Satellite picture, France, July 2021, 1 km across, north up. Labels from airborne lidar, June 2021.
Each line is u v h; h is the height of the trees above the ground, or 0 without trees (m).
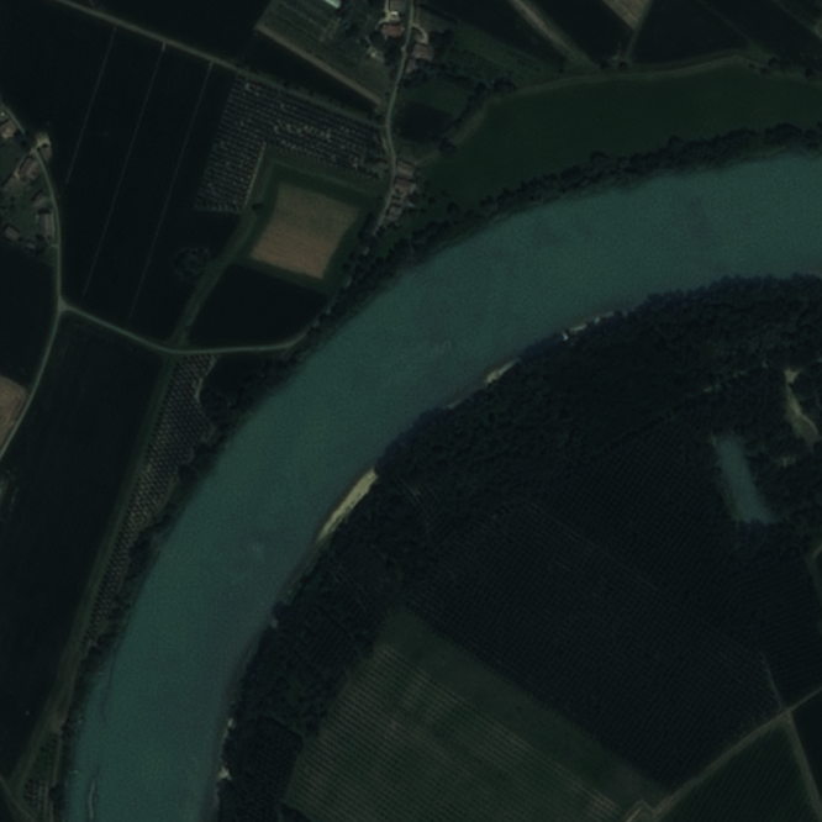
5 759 0
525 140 0
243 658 0
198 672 0
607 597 21
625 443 26
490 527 23
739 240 0
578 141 0
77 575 0
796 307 23
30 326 0
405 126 0
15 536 0
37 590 0
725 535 27
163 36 0
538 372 12
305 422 0
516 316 0
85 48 0
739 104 0
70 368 0
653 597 20
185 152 0
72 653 0
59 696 0
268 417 0
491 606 25
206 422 11
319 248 0
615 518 24
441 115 0
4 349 0
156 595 0
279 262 0
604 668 22
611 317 0
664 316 26
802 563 22
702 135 0
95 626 8
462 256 0
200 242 0
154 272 0
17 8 0
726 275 0
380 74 0
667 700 18
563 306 0
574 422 10
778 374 18
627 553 25
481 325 0
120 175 0
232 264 0
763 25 0
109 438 0
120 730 0
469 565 21
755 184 0
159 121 0
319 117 13
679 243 0
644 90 0
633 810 0
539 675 21
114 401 0
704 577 30
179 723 0
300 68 0
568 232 0
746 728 21
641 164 16
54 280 0
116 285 0
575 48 0
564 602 23
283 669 8
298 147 11
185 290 0
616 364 13
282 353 0
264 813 22
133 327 0
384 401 0
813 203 0
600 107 0
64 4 0
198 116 0
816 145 10
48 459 0
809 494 7
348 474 0
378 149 12
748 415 25
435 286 0
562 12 0
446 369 0
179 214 0
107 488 0
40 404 0
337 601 19
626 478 27
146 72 0
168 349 0
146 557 23
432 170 0
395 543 7
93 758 0
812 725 0
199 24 0
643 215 0
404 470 15
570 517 24
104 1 0
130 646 0
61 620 0
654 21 0
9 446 0
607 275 0
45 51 0
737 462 0
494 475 9
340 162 12
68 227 0
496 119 0
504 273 0
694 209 0
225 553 0
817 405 21
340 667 23
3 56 0
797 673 26
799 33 0
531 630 22
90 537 0
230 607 0
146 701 0
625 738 26
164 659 0
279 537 0
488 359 0
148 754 0
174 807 0
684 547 29
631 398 13
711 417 27
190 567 0
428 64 16
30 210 0
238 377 0
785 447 22
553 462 18
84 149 0
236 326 0
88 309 0
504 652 23
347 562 21
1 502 0
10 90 0
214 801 0
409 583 15
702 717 24
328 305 0
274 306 0
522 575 23
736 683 23
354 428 0
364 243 12
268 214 0
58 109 0
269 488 0
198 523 0
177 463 13
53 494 0
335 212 0
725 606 27
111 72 0
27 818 0
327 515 0
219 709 0
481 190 0
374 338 0
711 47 0
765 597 24
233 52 0
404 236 0
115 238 0
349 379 0
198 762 0
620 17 0
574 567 23
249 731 27
